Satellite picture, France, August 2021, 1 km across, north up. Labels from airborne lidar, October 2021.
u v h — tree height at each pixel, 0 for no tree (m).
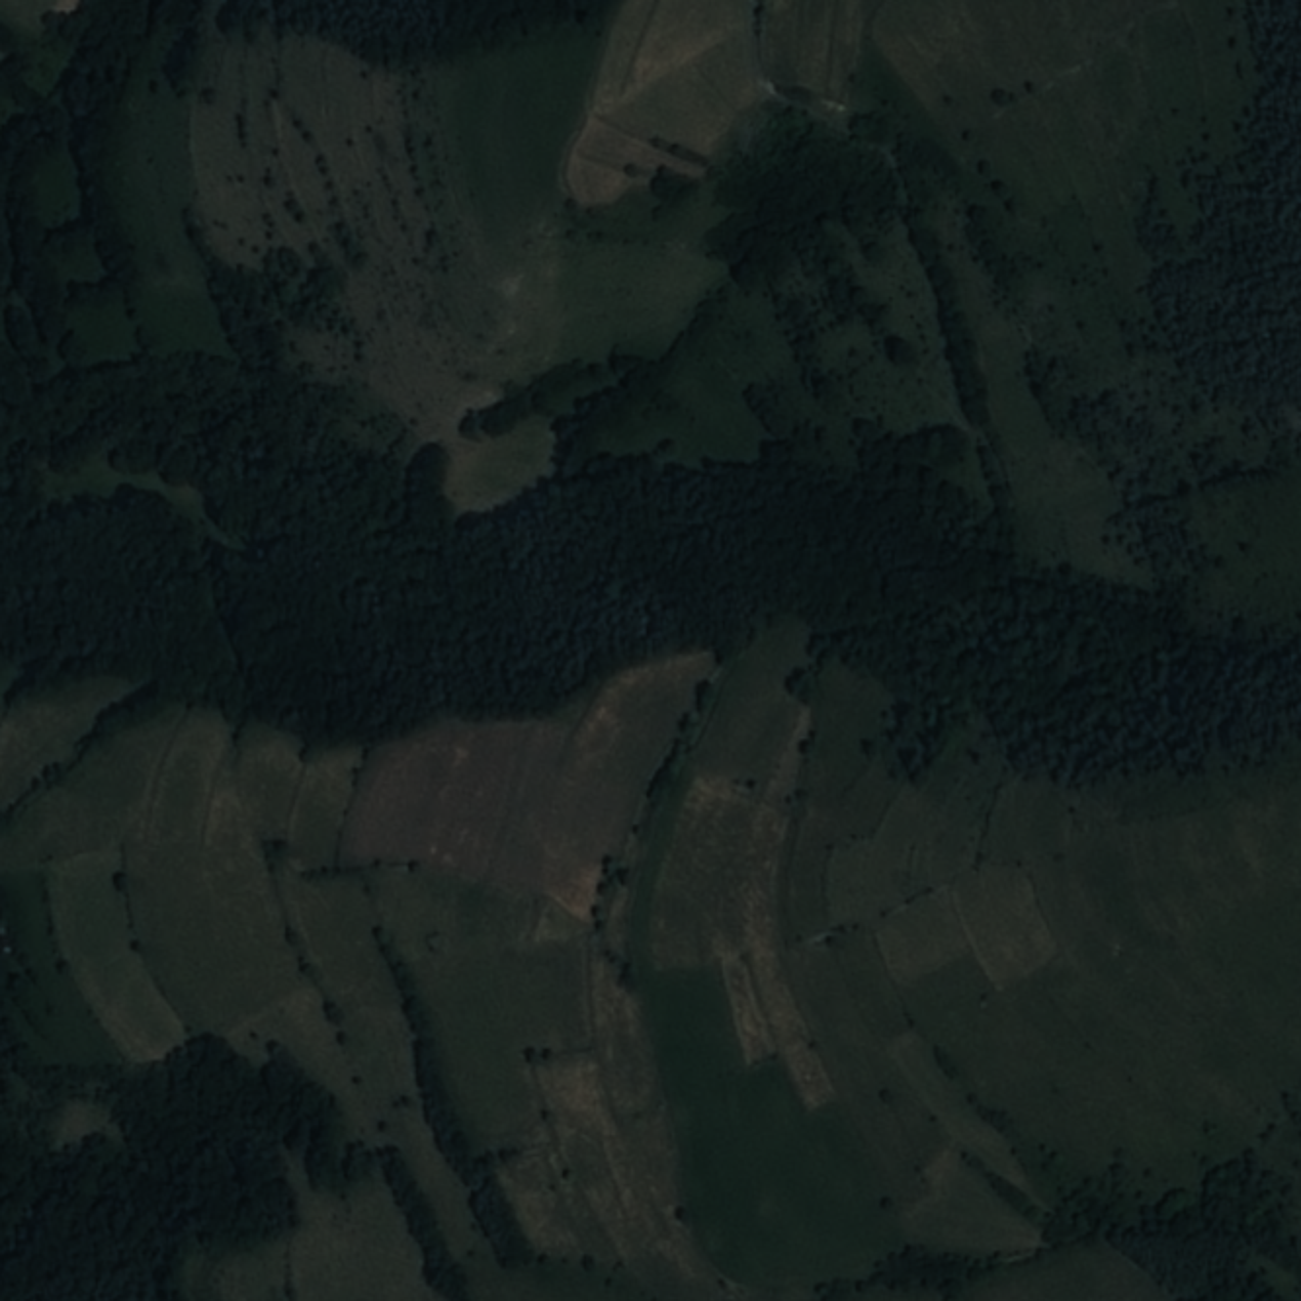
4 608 29
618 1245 0
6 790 0
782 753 0
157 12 22
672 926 0
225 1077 15
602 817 0
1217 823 0
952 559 27
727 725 0
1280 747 13
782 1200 0
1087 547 0
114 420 30
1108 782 11
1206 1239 18
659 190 17
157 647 30
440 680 24
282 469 25
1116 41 0
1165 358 8
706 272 0
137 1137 17
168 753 0
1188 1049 0
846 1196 0
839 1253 0
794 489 25
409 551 29
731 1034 0
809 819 0
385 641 25
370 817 0
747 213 6
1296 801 0
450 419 0
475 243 0
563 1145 0
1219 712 25
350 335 10
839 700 0
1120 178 0
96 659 18
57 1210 23
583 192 0
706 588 27
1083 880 0
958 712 17
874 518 27
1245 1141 0
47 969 0
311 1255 0
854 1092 0
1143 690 15
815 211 20
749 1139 0
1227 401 14
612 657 20
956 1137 0
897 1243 0
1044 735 19
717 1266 0
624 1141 0
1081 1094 0
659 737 0
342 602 22
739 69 0
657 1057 0
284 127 0
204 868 0
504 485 0
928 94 0
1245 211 12
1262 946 0
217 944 0
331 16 27
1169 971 0
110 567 33
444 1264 15
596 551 28
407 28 27
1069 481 0
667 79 0
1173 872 0
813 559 29
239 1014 0
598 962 0
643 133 0
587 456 27
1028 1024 0
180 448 31
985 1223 0
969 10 0
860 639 22
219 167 0
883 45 0
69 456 34
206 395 17
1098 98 0
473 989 0
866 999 0
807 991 0
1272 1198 10
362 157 0
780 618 16
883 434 7
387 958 8
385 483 19
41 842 0
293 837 0
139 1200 23
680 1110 0
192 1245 22
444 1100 17
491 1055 0
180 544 29
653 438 0
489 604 29
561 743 0
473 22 30
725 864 0
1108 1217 7
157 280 0
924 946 0
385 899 0
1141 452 8
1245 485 15
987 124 0
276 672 27
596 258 0
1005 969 0
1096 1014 0
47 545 32
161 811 0
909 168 8
